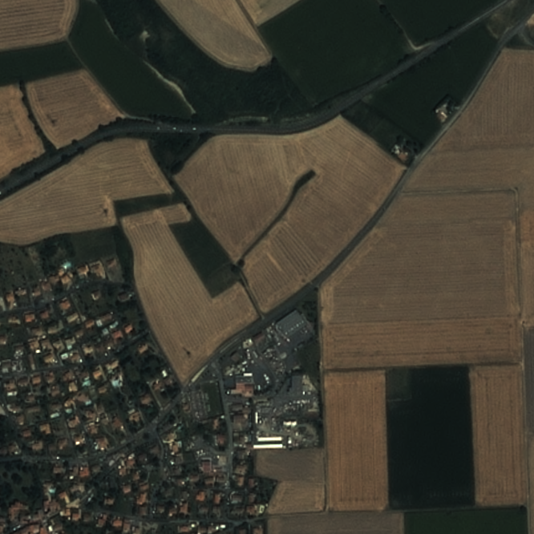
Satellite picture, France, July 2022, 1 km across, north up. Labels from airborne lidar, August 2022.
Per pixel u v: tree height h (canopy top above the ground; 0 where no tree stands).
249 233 0
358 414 0
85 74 0
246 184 0
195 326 0
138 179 0
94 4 0
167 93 0
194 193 0
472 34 0
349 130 0
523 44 0
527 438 0
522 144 0
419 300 0
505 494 0
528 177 0
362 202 0
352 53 0
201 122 6
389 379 0
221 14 0
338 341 0
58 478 11
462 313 0
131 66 0
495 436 0
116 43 0
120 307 11
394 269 0
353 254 0
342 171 0
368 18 0
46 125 0
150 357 9
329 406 0
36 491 14
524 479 0
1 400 0
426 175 0
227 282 0
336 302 0
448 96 7
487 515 0
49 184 0
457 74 0
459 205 0
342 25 0
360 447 0
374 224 0
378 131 0
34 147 0
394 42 0
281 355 0
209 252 0
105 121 0
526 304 0
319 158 0
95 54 0
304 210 0
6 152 0
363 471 0
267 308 0
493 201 0
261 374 0
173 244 0
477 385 0
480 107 0
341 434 0
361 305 0
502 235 0
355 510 0
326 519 0
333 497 0
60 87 0
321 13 0
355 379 0
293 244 0
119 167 0
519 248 0
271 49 0
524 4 0
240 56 0
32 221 0
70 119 0
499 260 0
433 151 0
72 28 0
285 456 0
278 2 0
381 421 0
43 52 0
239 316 0
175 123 9
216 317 0
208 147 0
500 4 0
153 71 0
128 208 0
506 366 0
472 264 0
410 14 0
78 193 0
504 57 0
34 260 0
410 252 0
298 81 0
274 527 0
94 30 0
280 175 0
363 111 0
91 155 0
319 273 0
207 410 0
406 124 0
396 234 0
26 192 0
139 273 0
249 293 0
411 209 0
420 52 0
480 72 0
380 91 0
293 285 0
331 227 0
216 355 0
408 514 0
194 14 0
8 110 0
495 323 0
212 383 0
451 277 0
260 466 0
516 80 0
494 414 0
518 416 0
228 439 0
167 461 0
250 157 0
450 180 0
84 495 0
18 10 0
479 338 0
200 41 0
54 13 0
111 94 0
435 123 0
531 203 0
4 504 18
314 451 0
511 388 0
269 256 0
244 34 0
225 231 0
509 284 0
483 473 0
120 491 6
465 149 0
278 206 0
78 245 0
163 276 0
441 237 0
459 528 0
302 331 0
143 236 0
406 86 0
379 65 0
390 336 0
